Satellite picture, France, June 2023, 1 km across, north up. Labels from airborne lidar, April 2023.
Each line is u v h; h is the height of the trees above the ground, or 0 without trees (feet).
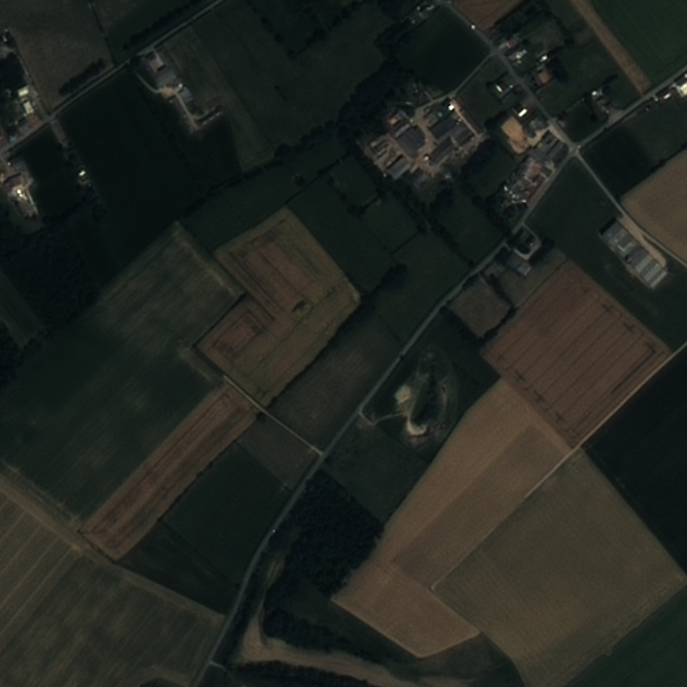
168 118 0
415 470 0
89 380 0
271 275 0
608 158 0
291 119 0
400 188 33
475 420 0
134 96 0
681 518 0
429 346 0
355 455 0
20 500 0
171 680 0
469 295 0
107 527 0
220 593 0
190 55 0
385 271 0
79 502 0
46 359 0
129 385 0
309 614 0
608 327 0
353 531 57
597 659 0
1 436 0
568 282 0
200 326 0
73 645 0
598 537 0
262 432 0
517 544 0
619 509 0
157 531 0
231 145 0
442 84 0
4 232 70
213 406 0
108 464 0
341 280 0
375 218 0
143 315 0
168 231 0
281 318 0
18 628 0
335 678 43
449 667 0
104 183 0
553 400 0
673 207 0
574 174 0
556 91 0
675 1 0
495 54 0
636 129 0
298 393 0
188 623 0
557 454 0
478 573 0
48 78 0
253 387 0
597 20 0
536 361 0
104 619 0
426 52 0
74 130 0
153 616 0
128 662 0
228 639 0
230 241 0
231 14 0
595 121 41
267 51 0
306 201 0
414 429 0
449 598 0
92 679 0
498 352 0
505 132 0
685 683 0
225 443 0
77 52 0
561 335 0
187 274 0
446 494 0
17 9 0
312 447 0
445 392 0
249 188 0
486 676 0
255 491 0
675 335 0
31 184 0
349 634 0
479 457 0
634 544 0
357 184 0
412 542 0
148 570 0
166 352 0
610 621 0
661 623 0
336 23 24
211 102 0
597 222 0
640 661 0
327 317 0
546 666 0
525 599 0
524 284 0
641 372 0
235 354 0
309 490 40
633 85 0
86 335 0
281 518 0
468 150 0
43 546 0
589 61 0
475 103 0
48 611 0
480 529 0
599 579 0
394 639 0
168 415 0
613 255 0
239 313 0
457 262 0
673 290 0
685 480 0
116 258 0
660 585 0
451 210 0
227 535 0
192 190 0
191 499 0
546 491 0
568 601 0
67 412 0
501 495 0
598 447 0
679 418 0
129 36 0
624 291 0
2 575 0
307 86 0
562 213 0
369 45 0
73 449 0
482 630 0
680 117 0
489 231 0
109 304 0
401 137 0
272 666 42
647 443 0
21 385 0
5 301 0
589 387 0
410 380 0
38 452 0
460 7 0
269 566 0
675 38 0
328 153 0
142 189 0
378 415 0
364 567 0
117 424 0
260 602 0
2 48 0
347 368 0
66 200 0
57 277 62
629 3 0
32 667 0
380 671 0
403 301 0
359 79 0
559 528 0
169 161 0
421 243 0
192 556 0
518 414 0
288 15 0
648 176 0
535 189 0
